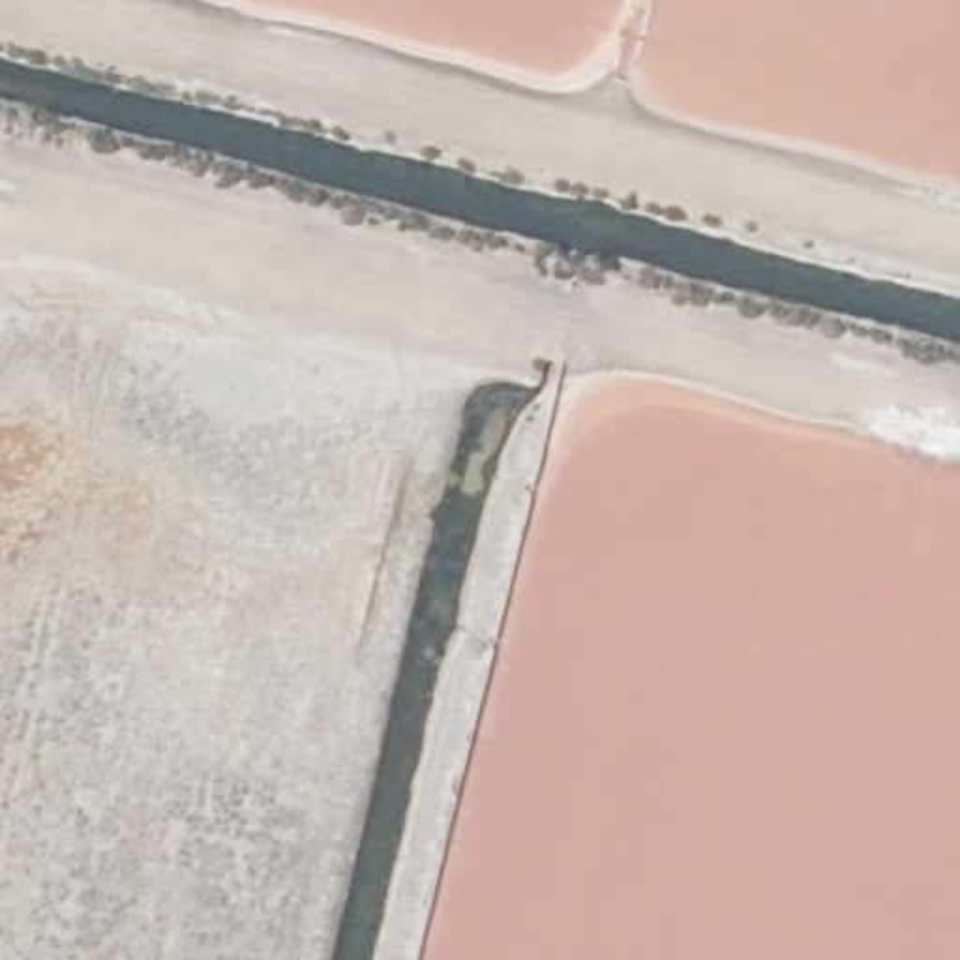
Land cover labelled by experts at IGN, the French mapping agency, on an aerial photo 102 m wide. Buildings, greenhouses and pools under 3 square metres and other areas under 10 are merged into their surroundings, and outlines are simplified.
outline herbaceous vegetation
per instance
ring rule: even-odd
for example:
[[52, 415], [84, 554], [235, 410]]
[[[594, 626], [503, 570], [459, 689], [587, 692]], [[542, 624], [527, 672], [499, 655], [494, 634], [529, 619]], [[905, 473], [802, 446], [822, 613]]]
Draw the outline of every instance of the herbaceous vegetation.
[[323, 131], [323, 124], [315, 120], [259, 113], [255, 120], [311, 131], [349, 146], [345, 131]]
[[23, 101], [0, 101], [0, 124], [23, 139], [38, 124]]
[[64, 56], [45, 56], [23, 45], [0, 45], [0, 60], [64, 75], [90, 71]]
[[184, 150], [169, 139], [116, 131], [79, 116], [45, 116], [41, 124], [49, 143], [60, 143], [60, 135], [71, 131], [90, 139], [90, 146], [105, 154], [135, 150], [158, 161], [169, 158], [188, 165], [191, 173], [218, 173], [221, 188], [278, 188], [296, 203], [334, 206], [349, 225], [398, 221], [401, 229], [424, 233], [431, 240], [533, 255], [536, 274], [544, 278], [578, 278], [600, 285], [611, 270], [593, 255], [555, 255], [551, 244], [521, 233], [484, 229], [431, 210], [413, 210], [401, 203], [341, 191], [304, 176], [289, 176], [281, 169], [251, 165], [244, 158], [195, 146]]
[[98, 79], [116, 90], [173, 98], [165, 86], [116, 71], [98, 71]]
[[645, 263], [641, 285], [664, 289], [675, 304], [728, 304], [739, 308], [746, 319], [773, 315], [791, 326], [818, 326], [829, 338], [855, 334], [881, 345], [896, 345], [904, 356], [919, 364], [960, 364], [960, 341], [848, 311], [825, 311], [814, 304], [773, 300], [765, 293], [686, 278]]

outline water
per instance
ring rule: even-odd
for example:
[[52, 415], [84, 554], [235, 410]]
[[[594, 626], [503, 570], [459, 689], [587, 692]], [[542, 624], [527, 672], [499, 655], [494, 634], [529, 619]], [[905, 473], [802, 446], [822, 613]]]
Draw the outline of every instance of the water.
[[915, 446], [900, 446], [889, 439], [878, 450], [803, 443], [671, 405], [615, 413], [604, 424], [596, 424], [585, 439], [566, 446], [570, 431], [559, 428], [559, 409], [551, 409], [536, 473], [529, 484], [529, 506], [506, 581], [499, 630], [491, 641], [491, 664], [469, 731], [465, 765], [454, 784], [454, 806], [439, 851], [420, 953], [413, 960], [960, 960], [960, 458], [923, 454]]
[[548, 199], [536, 191], [480, 180], [461, 169], [349, 146], [311, 131], [255, 120], [195, 109], [173, 98], [116, 90], [98, 79], [98, 71], [90, 71], [64, 75], [0, 60], [0, 101], [23, 101], [38, 124], [41, 124], [45, 116], [79, 116], [116, 131], [169, 139], [184, 150], [195, 146], [244, 158], [251, 165], [281, 169], [289, 176], [304, 176], [341, 191], [401, 203], [413, 210], [431, 210], [484, 229], [521, 233], [551, 244], [555, 255], [593, 255], [611, 270], [623, 259], [645, 263], [686, 278], [765, 293], [773, 300], [814, 304], [825, 311], [848, 311], [960, 341], [960, 300], [889, 281], [866, 281], [814, 263], [795, 263], [690, 229], [668, 229], [638, 214], [619, 214], [608, 203]]
[[641, 71], [664, 94], [664, 101], [713, 120], [735, 120], [799, 139], [821, 139], [874, 154], [881, 161], [960, 180], [960, 0], [653, 0]]
[[574, 68], [604, 38], [619, 0], [263, 0], [356, 19], [368, 26], [473, 49], [540, 71]]
[[420, 765], [435, 679], [446, 645], [458, 630], [461, 585], [469, 574], [480, 514], [491, 495], [518, 413], [548, 390], [551, 379], [551, 360], [536, 360], [533, 386], [480, 383], [465, 398], [461, 431], [446, 465], [446, 491], [431, 510], [431, 540], [424, 551], [405, 645], [386, 705], [356, 863], [338, 915], [334, 953], [326, 960], [379, 960], [375, 938], [383, 926], [413, 776]]

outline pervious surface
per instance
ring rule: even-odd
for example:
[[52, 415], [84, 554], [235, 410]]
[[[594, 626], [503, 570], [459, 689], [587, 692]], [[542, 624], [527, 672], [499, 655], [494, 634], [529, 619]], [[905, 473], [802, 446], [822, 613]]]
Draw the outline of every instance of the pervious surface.
[[173, 98], [195, 109], [255, 120], [259, 113], [315, 120], [323, 124], [323, 131], [345, 131], [349, 146], [461, 169], [480, 180], [536, 191], [548, 199], [608, 203], [619, 214], [638, 214], [668, 229], [690, 229], [795, 263], [814, 263], [866, 281], [889, 281], [960, 300], [960, 180], [881, 161], [874, 154], [821, 139], [799, 139], [735, 120], [713, 120], [664, 101], [664, 94], [641, 71], [653, 0], [619, 0], [604, 38], [574, 68], [540, 71], [473, 49], [368, 26], [356, 19], [263, 0], [0, 0], [0, 45], [23, 45], [45, 56], [64, 56], [90, 71], [98, 71], [116, 71], [165, 86]]
[[383, 926], [375, 938], [379, 960], [413, 960], [420, 953], [439, 851], [454, 806], [454, 784], [465, 765], [469, 731], [491, 664], [491, 641], [499, 630], [506, 581], [529, 506], [529, 484], [536, 473], [551, 409], [559, 409], [559, 428], [570, 431], [566, 446], [585, 439], [596, 424], [604, 424], [615, 413], [671, 405], [803, 443], [878, 450], [889, 439], [900, 446], [915, 446], [923, 454], [960, 458], [960, 364], [919, 364], [904, 356], [896, 345], [881, 345], [855, 334], [829, 338], [818, 326], [791, 326], [773, 315], [746, 319], [739, 308], [728, 304], [675, 304], [664, 289], [641, 285], [645, 263], [623, 259], [611, 270], [600, 285], [578, 278], [544, 278], [536, 274], [533, 255], [431, 240], [424, 233], [401, 229], [398, 221], [349, 225], [334, 206], [296, 203], [278, 188], [221, 188], [218, 173], [191, 173], [188, 165], [169, 158], [158, 161], [135, 150], [105, 154], [90, 146], [90, 139], [71, 131], [60, 135], [60, 143], [49, 143], [41, 124], [38, 124], [23, 139], [0, 124], [0, 960], [326, 960], [334, 953], [338, 915], [356, 863], [386, 705], [405, 645], [424, 551], [431, 540], [431, 510], [446, 491], [446, 465], [461, 431], [465, 398], [480, 383], [533, 386], [536, 360], [551, 360], [551, 379], [548, 390], [518, 413], [491, 495], [480, 514], [469, 574], [461, 585], [458, 630], [446, 645], [435, 679], [420, 765], [413, 776]]

